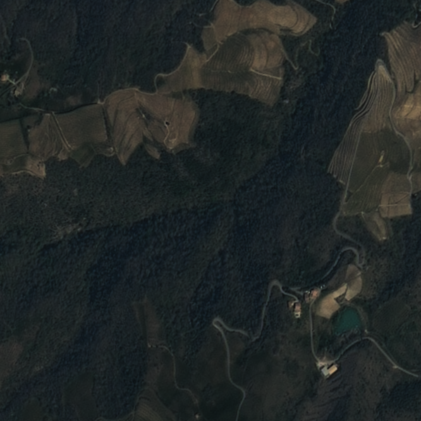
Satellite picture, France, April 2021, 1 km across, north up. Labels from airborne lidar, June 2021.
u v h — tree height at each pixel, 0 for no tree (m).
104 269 7
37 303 8
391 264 10
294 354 0
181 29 8
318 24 8
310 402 0
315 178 16
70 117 0
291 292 8
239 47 0
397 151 0
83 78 0
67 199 7
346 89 7
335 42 11
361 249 7
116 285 12
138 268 16
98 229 6
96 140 0
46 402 13
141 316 0
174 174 9
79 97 0
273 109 7
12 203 11
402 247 14
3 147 0
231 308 7
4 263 8
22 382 19
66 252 8
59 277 8
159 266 10
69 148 0
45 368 8
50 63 9
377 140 0
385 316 0
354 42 9
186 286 8
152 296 14
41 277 8
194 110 0
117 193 8
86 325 11
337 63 9
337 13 13
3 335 8
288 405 8
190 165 9
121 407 10
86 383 0
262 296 8
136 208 7
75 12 14
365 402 0
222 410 0
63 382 7
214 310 9
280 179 10
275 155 15
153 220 17
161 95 0
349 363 0
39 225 8
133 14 9
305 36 9
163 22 8
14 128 0
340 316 8
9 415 9
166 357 0
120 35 12
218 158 10
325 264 0
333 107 6
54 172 6
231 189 18
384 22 10
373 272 6
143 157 10
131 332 12
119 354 22
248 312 16
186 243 8
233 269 9
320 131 11
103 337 6
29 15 6
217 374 0
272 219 13
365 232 7
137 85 9
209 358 0
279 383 0
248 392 0
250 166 18
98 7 10
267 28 0
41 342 11
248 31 0
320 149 10
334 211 10
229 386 0
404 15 16
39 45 7
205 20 12
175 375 0
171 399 0
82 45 9
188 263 8
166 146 0
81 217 6
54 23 8
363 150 0
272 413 0
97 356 11
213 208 14
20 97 17
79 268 8
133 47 12
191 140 0
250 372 0
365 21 7
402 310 0
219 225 10
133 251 10
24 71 0
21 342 0
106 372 11
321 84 17
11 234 16
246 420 0
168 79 0
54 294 8
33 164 0
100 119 0
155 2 12
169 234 18
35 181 7
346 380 0
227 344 0
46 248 13
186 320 10
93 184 6
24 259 16
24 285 16
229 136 12
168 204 11
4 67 0
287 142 8
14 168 0
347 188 0
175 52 14
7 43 12
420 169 0
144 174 10
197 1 11
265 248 16
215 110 9
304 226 16
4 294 12
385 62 7
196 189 13
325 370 0
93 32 10
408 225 18
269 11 0
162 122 0
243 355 0
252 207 14
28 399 7
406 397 7
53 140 0
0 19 14
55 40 12
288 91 6
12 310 13
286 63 6
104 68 9
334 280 0
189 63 0
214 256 18
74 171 6
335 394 0
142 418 0
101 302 8
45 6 11
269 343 0
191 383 0
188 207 24
